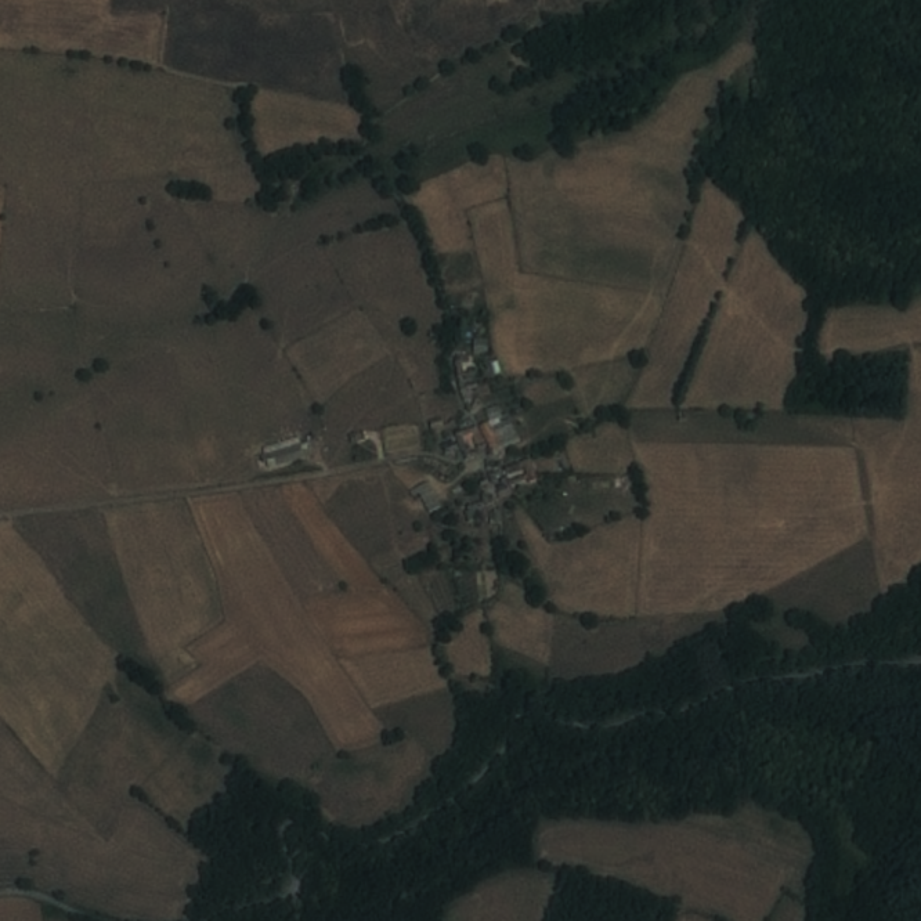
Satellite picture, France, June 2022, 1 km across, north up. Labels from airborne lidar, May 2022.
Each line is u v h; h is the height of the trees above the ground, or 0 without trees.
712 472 0
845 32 15
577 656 0
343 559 0
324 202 0
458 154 0
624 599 0
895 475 0
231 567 0
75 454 0
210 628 0
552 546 0
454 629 22
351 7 0
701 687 21
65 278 0
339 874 11
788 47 14
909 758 29
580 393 0
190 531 0
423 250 11
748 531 0
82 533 0
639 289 0
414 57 0
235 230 0
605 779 18
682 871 0
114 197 0
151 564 0
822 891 19
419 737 0
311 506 0
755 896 0
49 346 0
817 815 16
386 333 0
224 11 0
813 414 0
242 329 0
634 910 8
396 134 0
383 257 0
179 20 0
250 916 17
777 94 20
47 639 0
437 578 0
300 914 13
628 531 0
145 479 0
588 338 0
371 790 0
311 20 0
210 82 0
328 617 0
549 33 18
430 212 0
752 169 17
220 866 16
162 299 0
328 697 0
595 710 15
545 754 29
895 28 21
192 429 0
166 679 0
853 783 13
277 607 0
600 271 0
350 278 0
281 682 0
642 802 15
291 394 0
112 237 0
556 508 0
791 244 19
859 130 15
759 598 18
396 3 0
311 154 15
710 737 20
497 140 0
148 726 0
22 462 0
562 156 17
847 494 0
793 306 0
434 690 0
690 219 10
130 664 18
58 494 0
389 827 12
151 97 0
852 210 24
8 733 0
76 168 0
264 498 0
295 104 0
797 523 0
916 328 0
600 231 0
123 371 0
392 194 15
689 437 0
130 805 0
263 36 0
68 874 0
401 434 0
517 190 0
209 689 0
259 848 17
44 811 0
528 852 12
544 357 0
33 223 0
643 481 9
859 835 14
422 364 0
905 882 24
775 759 15
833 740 13
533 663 0
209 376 0
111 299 0
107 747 0
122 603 0
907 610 15
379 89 0
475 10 0
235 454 0
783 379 0
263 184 11
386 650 0
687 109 0
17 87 0
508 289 0
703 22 18
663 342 0
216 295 14
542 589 13
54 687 0
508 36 19
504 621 0
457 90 0
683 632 0
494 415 0
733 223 0
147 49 0
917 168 18
